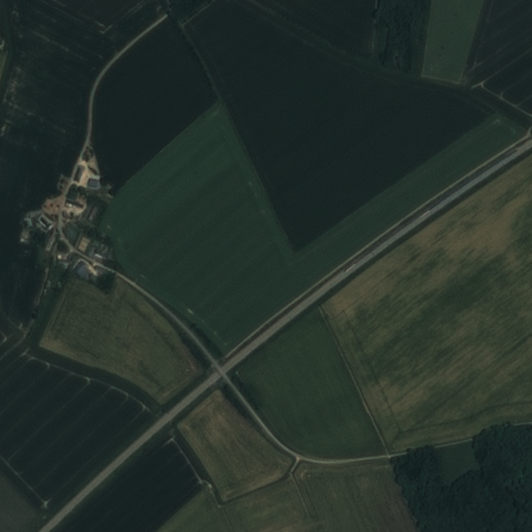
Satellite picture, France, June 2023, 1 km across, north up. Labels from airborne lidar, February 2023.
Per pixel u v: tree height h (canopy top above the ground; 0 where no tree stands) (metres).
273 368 0
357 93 0
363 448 0
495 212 0
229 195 0
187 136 0
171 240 0
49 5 0
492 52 0
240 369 0
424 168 0
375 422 0
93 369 0
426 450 15
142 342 0
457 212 0
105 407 0
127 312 0
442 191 0
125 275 0
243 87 0
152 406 0
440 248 0
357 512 0
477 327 0
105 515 0
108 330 0
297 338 0
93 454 0
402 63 18
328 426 0
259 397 0
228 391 12
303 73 0
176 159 0
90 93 0
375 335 0
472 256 0
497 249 0
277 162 0
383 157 0
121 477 0
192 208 0
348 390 0
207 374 0
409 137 0
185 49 0
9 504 0
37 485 0
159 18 0
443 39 0
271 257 0
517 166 0
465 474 0
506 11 0
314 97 0
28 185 0
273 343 0
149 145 0
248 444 0
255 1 0
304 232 0
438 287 0
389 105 0
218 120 0
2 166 0
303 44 0
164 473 0
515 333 0
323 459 0
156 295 0
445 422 0
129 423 0
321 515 0
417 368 0
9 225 0
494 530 21
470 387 0
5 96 0
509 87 0
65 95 0
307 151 0
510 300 0
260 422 0
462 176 0
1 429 0
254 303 0
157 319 0
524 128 0
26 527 0
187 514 0
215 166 0
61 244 6
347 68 0
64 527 0
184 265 0
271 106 0
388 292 0
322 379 0
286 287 0
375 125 0
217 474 0
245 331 0
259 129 0
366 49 0
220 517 0
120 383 0
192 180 0
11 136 0
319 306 0
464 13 0
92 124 0
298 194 0
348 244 0
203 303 0
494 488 20
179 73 0
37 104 0
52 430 0
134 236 0
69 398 0
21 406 0
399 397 0
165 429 0
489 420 0
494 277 0
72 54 0
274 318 0
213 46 0
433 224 0
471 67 0
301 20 0
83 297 0
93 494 0
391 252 0
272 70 0
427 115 0
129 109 0
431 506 19
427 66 0
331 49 0
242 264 0
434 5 0
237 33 0
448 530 22
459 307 0
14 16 0
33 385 0
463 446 0
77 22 0
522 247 0
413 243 0
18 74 0
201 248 0
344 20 0
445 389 0
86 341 0
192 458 0
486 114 0
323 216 0
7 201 0
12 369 0
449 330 0
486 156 0
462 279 0
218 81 0
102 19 0
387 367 0
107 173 0
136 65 0
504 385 0
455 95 0
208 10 0
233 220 0
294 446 0
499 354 0
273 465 0
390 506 0
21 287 0
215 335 0
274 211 0
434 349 0
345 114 0
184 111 0
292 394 0
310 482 0
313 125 0
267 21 0
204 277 0
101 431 0
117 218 0
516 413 0
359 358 0
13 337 0
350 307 0
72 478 0
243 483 0
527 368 0
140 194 0
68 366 0
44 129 0
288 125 0
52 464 0
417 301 0
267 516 0
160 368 0
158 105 0
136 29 0
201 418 0
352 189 0
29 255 0
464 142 0
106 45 0
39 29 0
